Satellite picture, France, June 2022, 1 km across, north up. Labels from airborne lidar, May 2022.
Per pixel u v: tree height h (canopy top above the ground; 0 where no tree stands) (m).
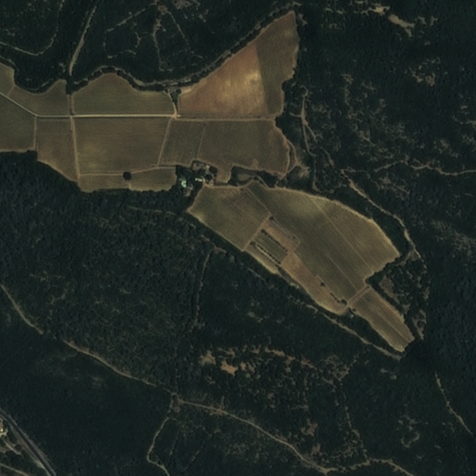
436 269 10
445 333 12
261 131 0
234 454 6
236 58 0
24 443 0
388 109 6
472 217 8
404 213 7
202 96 0
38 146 0
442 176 8
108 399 7
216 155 0
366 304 0
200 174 12
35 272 14
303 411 10
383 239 0
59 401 7
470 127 6
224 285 13
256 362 11
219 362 10
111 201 8
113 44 7
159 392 6
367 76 7
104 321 7
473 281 18
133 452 7
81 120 0
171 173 0
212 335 14
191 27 8
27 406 8
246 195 0
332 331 10
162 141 0
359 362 8
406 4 12
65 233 11
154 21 12
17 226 7
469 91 7
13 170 10
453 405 10
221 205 0
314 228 0
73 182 15
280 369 13
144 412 6
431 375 10
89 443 7
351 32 14
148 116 0
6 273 12
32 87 9
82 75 12
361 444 9
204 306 13
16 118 0
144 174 0
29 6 7
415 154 10
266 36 0
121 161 0
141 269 13
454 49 10
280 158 0
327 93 8
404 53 10
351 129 6
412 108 8
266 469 9
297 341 7
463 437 13
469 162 8
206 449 9
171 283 10
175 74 10
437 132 8
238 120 0
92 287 6
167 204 20
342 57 7
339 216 0
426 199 12
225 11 9
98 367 5
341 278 0
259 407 9
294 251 0
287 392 12
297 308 7
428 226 6
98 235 6
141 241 8
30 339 6
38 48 7
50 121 0
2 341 6
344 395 11
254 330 9
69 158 0
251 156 0
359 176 9
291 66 0
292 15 0
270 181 10
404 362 10
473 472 12
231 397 7
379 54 13
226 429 7
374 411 8
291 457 7
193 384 10
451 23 9
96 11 8
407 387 6
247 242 0
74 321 12
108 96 0
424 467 8
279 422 11
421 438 6
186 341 8
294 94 10
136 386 6
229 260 9
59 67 13
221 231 0
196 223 9
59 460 7
